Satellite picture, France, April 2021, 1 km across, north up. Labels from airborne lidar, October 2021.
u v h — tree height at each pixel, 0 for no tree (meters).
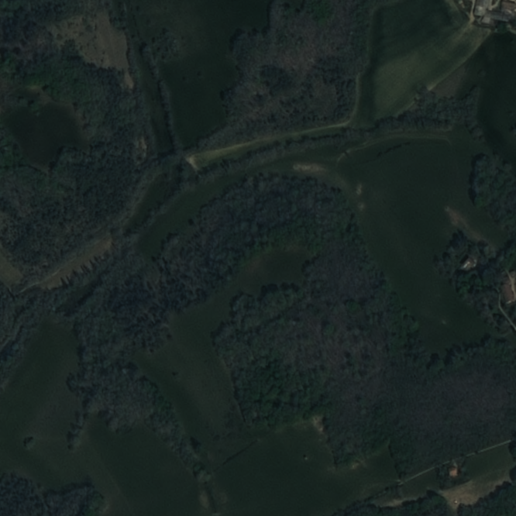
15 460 0
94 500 21
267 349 24
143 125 21
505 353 24
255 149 0
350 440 21
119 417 22
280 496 0
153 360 0
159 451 0
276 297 27
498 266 24
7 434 0
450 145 0
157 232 0
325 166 0
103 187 22
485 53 0
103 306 9
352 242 18
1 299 15
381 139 0
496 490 0
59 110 0
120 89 23
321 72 22
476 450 12
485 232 0
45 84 21
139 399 24
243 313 18
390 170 0
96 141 7
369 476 0
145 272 8
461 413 18
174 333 0
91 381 11
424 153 0
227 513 0
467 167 0
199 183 22
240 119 21
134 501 0
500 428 19
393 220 0
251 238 18
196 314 0
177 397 0
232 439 0
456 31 0
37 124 0
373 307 28
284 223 24
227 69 0
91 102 20
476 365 21
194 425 0
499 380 15
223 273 17
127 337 16
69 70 21
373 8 12
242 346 21
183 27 0
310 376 18
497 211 21
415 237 0
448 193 0
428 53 0
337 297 20
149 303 14
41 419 0
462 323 0
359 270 19
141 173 21
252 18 0
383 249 0
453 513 0
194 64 0
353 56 18
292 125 14
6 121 0
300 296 29
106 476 0
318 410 22
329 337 13
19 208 13
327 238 22
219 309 0
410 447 15
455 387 16
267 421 16
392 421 17
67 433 0
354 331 21
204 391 0
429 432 15
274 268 0
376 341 17
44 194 18
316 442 0
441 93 0
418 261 0
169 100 13
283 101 16
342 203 21
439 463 13
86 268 0
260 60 27
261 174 0
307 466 0
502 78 0
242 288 0
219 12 0
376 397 18
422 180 0
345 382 15
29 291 8
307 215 21
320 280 17
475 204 24
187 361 0
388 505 0
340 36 14
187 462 20
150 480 0
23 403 0
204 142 19
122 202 23
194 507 0
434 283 0
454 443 16
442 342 0
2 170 18
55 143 0
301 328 21
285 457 0
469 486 0
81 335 20
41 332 0
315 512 0
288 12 21
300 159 0
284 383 23
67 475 0
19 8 23
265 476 0
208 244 10
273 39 22
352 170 0
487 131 0
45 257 12
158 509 0
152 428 10
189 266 11
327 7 19
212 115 0
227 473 0
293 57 17
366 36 18
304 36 14
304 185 11
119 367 12
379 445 14
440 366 24
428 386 18
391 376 22
